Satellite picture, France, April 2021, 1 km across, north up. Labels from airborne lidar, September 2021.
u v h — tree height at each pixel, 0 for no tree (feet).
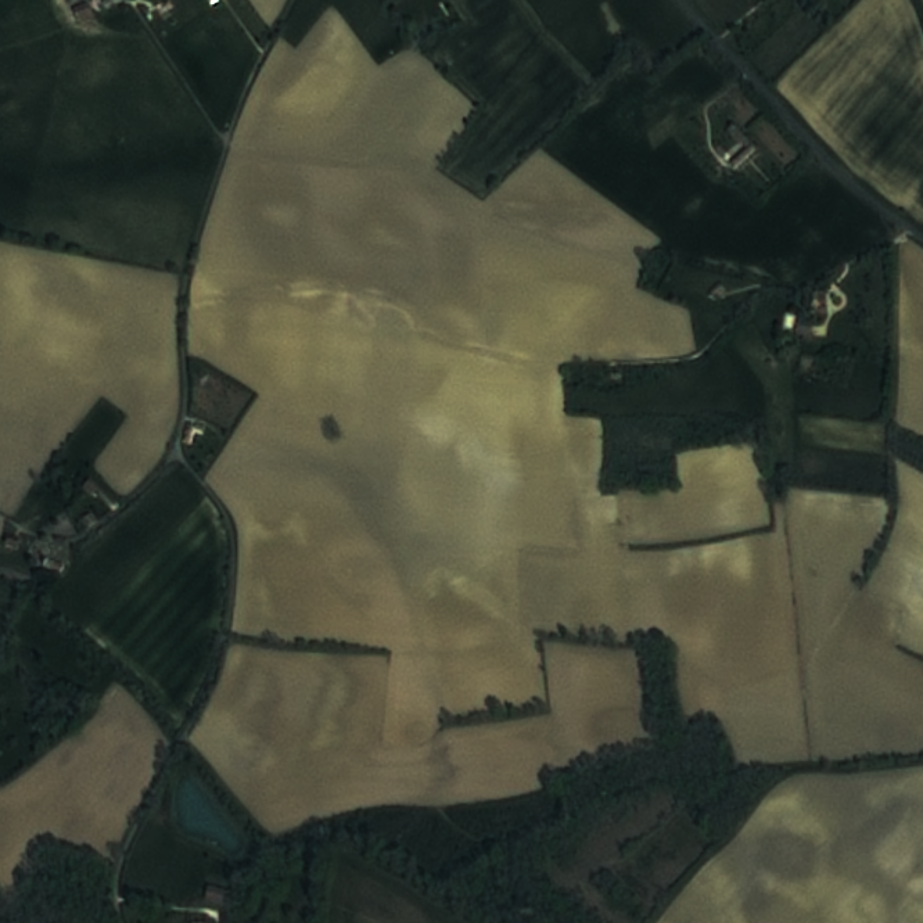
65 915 80
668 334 0
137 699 60
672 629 0
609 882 49
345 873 0
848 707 0
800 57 0
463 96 0
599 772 79
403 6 0
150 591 0
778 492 42
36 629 0
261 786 0
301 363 0
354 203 0
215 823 0
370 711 0
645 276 35
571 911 53
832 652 0
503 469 0
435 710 0
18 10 0
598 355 0
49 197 0
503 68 0
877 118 0
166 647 0
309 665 0
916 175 0
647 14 0
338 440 62
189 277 29
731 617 0
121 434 0
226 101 0
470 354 0
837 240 0
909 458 47
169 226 0
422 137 0
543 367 0
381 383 0
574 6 0
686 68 0
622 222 0
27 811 0
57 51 0
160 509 0
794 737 0
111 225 0
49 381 0
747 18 24
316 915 49
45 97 0
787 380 0
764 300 22
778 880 0
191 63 0
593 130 0
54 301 0
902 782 0
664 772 66
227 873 22
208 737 0
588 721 0
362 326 0
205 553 0
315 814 0
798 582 0
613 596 0
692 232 0
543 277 0
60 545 37
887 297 22
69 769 0
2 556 0
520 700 0
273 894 74
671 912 0
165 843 0
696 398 0
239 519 0
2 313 0
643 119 0
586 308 0
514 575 0
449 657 0
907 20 0
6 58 0
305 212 0
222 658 34
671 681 53
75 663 0
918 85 0
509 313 0
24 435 0
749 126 24
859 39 0
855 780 0
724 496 0
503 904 50
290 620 0
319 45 0
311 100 0
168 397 0
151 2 0
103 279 0
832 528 0
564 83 0
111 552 0
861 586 60
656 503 0
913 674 0
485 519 0
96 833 0
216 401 0
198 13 0
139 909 73
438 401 0
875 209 0
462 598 0
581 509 0
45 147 0
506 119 0
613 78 33
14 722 0
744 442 62
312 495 0
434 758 0
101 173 0
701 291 0
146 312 0
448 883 72
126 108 0
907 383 0
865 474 0
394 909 0
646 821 0
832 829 0
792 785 0
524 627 0
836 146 0
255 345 0
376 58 0
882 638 0
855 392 0
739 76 35
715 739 66
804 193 0
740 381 0
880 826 0
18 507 0
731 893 0
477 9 0
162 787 46
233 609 0
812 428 0
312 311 0
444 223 0
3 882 0
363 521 0
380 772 0
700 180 0
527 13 0
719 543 0
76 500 31
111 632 0
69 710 51
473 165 0
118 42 0
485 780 0
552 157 0
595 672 0
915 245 0
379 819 21
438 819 26
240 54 0
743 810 45
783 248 0
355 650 30
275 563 0
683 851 0
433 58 0
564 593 0
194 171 0
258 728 0
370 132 0
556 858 22
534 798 27
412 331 0
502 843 26
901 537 0
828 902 0
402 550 0
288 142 0
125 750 0
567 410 20
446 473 0
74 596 0
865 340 0
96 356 0
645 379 28
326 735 0
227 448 0
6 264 0
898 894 0
